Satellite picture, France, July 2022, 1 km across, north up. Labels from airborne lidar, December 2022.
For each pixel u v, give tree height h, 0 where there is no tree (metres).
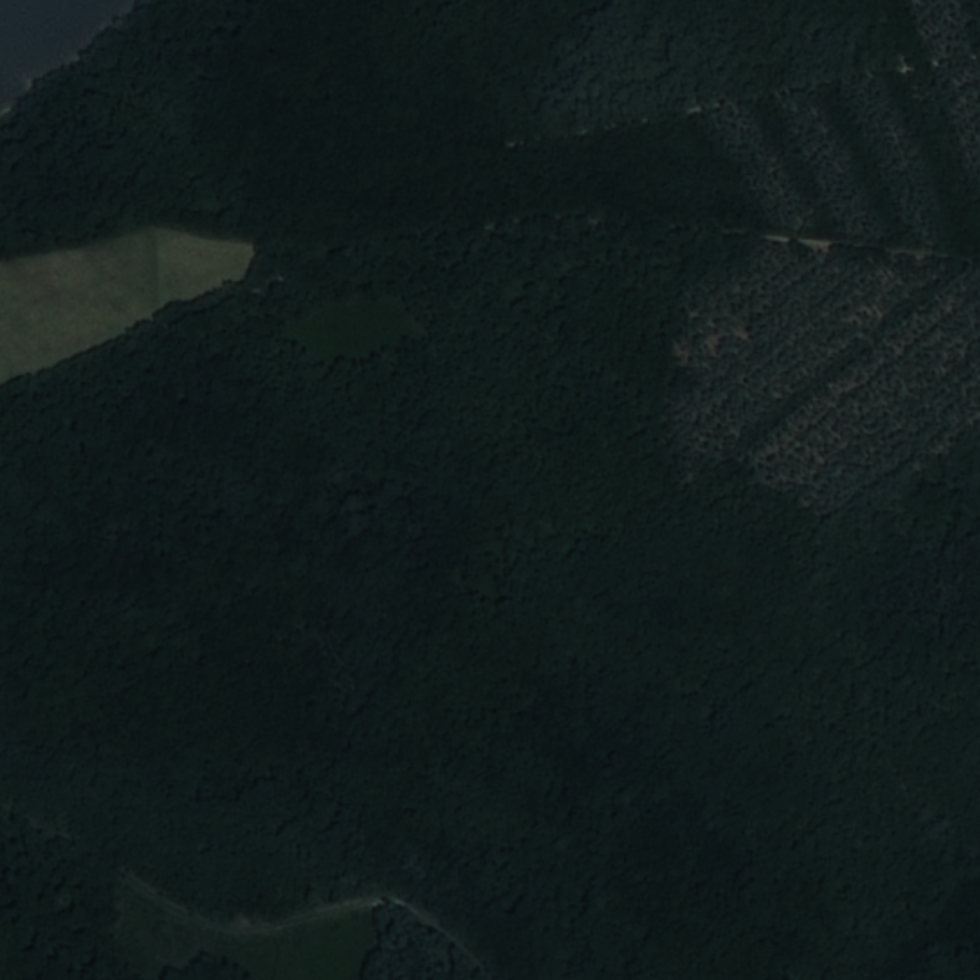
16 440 21
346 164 29
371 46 26
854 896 21
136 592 20
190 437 27
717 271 20
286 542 24
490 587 0
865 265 15
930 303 15
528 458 22
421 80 26
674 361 18
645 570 16
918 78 13
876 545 17
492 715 19
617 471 17
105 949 22
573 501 18
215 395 22
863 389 9
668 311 16
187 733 26
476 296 18
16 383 12
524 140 13
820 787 19
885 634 20
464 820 21
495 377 18
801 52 13
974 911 19
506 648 24
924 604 25
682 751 21
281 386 16
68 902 24
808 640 17
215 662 26
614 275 12
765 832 23
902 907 23
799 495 18
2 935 24
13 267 0
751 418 17
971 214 17
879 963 21
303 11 29
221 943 0
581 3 12
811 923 22
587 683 24
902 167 21
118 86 23
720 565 16
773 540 16
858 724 20
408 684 23
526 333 18
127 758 23
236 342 17
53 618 21
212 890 20
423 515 25
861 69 19
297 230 23
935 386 20
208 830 24
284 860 18
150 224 6
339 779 24
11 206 24
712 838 23
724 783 22
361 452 24
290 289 18
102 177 25
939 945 19
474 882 15
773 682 22
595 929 25
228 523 28
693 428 18
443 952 29
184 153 23
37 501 22
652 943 22
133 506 17
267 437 23
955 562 19
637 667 24
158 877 23
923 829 14
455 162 26
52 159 29
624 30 25
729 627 17
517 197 22
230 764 26
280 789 23
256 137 29
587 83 26
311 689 21
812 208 12
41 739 17
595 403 15
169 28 22
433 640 22
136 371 24
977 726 14
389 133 28
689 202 13
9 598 24
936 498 21
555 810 25
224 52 25
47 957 19
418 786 23
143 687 27
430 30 20
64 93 17
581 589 22
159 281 0
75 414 24
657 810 22
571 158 16
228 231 22
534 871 18
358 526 24
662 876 28
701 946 22
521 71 8
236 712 27
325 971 0
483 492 21
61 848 18
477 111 19
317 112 27
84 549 23
